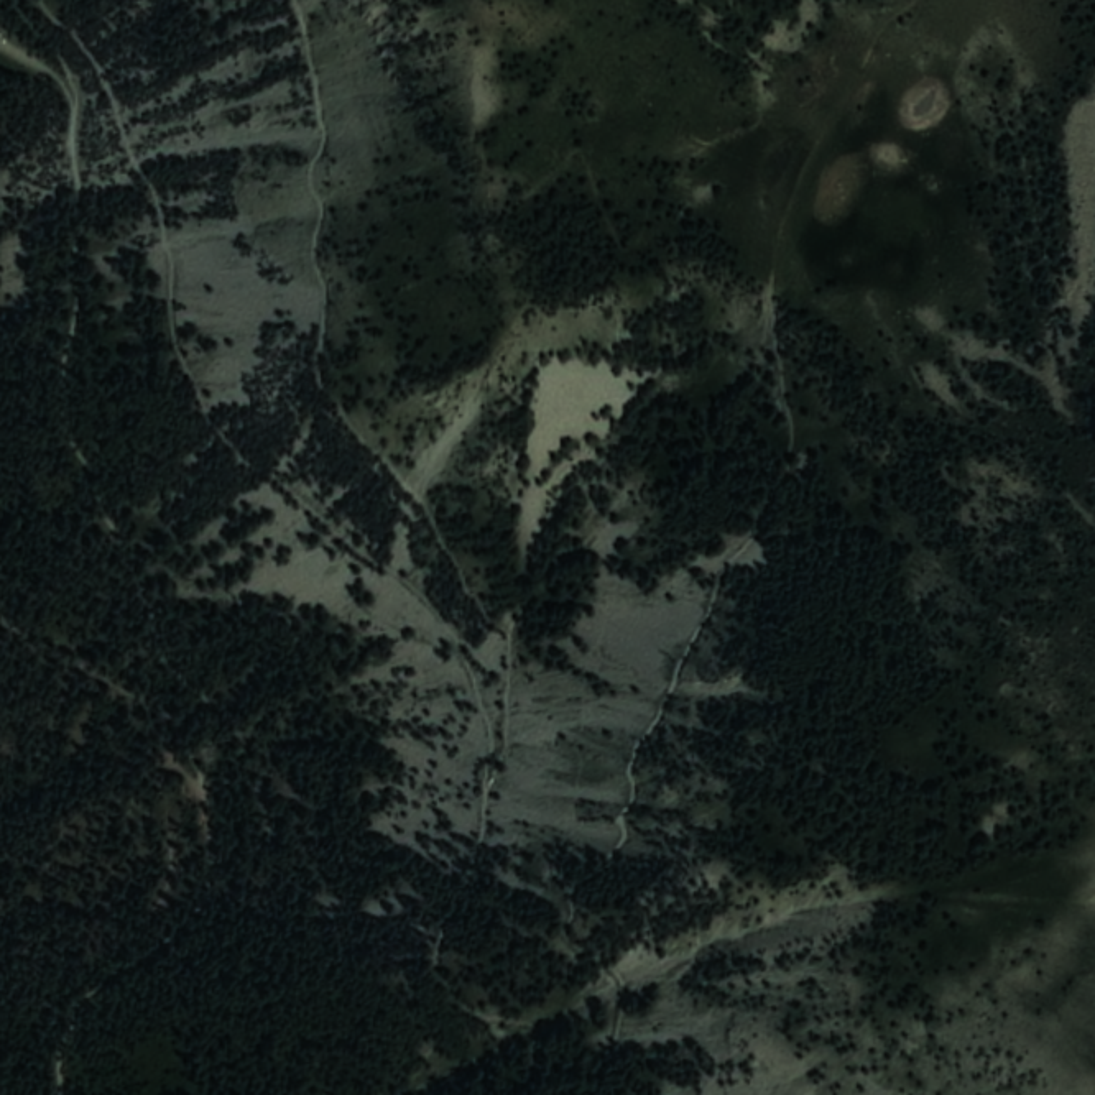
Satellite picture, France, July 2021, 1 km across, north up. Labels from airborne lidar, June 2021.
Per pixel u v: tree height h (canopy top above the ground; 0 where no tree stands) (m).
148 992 6
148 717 30
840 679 21
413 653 0
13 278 0
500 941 9
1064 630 0
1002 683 0
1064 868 0
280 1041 28
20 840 20
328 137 0
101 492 27
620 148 0
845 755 16
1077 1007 0
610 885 16
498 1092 26
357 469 14
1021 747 0
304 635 27
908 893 0
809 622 18
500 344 0
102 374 13
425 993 19
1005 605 10
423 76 6
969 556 11
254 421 8
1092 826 0
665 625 0
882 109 0
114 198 17
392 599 0
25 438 31
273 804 31
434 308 0
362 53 0
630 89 0
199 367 0
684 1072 5
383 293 9
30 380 30
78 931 23
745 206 0
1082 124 0
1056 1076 0
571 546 11
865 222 0
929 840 16
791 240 0
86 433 29
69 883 30
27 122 19
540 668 0
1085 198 0
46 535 30
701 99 0
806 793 12
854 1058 0
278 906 16
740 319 0
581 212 12
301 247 0
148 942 34
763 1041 0
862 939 10
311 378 7
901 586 16
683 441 13
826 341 9
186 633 23
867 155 0
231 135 0
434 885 21
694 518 10
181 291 0
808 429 0
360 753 18
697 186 0
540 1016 0
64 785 27
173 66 9
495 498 6
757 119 0
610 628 0
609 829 0
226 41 7
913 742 0
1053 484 7
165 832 9
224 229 0
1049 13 0
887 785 19
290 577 0
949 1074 0
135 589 20
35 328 29
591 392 0
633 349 17
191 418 20
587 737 0
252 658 30
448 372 8
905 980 0
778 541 19
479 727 0
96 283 19
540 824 0
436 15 0
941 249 0
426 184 8
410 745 0
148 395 24
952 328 6
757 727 10
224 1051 9
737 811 6
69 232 28
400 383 9
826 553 17
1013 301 12
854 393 14
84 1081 7
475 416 0
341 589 0
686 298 15
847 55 0
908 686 10
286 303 0
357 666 20
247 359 0
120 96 8
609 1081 21
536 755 0
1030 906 0
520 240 9
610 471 7
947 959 0
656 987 11
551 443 0
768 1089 0
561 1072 22
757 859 10
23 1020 9
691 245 14
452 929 8
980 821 13
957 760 12
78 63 8
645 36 0
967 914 0
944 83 0
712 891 8
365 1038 21
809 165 0
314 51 0
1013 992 0
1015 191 6
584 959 12
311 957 24
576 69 0
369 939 11
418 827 0
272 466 13
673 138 0
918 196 0
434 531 7
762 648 8
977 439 13
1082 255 0
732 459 22
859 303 0
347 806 23
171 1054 0
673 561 9
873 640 19
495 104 0
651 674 0
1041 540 9
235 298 0
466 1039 21
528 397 13
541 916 15
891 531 0
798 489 20
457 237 0
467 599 10
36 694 26
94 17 8
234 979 27
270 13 6
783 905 0
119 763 29
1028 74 0
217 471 14
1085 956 0
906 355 0
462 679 0
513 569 20
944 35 0
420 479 0
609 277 7
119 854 10
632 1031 0
